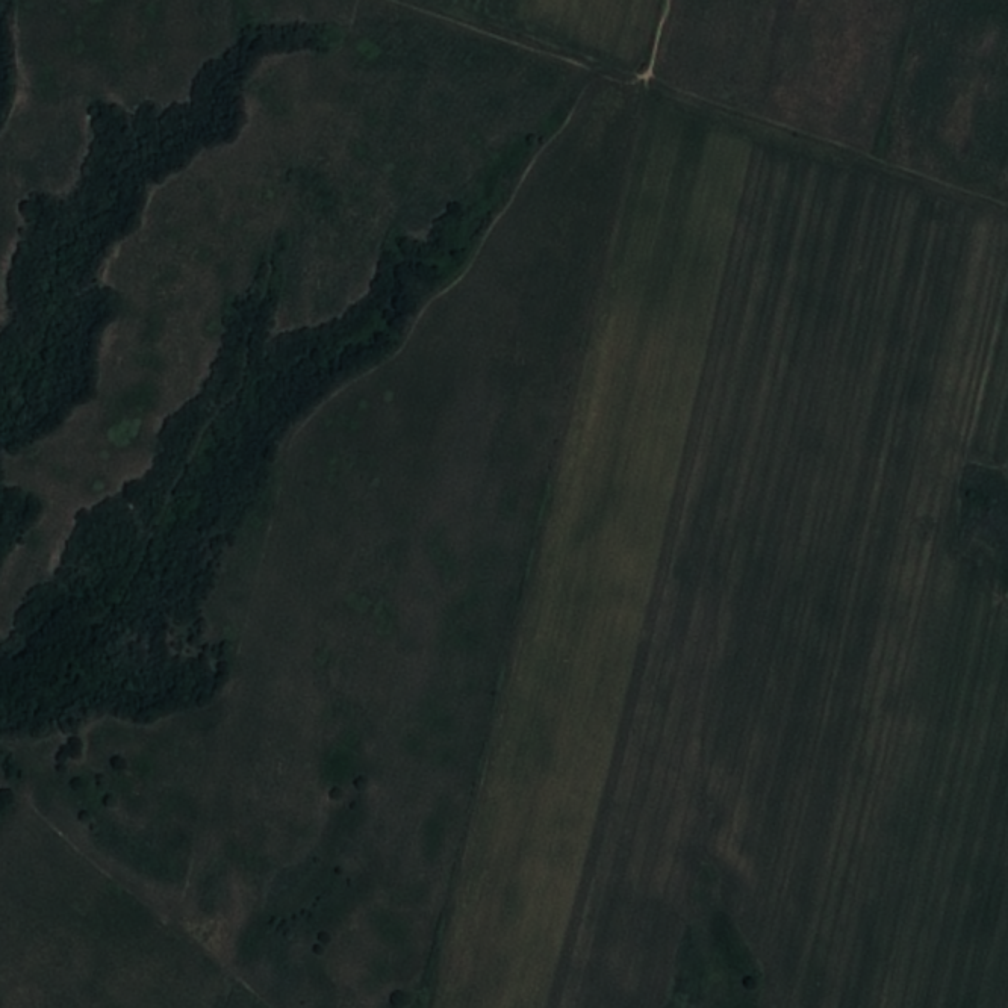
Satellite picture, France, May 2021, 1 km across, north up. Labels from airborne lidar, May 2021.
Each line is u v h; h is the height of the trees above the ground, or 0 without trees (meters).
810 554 0
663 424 0
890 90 0
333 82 0
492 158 0
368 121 0
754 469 0
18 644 12
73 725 12
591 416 0
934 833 0
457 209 13
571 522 0
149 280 0
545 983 0
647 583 0
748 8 0
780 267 0
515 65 0
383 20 0
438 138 0
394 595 0
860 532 0
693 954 0
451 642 0
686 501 0
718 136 0
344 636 0
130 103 0
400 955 0
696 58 0
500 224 0
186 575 8
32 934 0
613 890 0
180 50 0
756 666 0
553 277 0
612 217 0
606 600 0
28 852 0
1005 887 0
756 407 0
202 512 11
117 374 0
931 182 0
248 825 0
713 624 0
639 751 0
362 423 0
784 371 0
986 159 0
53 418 10
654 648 0
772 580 0
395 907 0
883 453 0
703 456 0
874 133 0
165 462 10
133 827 0
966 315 0
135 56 0
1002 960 0
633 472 0
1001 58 0
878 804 0
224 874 0
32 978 0
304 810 0
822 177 0
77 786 11
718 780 0
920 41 0
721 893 0
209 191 0
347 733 0
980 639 0
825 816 0
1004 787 0
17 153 0
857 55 0
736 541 0
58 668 19
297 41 12
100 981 0
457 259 8
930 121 0
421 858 0
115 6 0
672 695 0
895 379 0
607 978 0
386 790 0
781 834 0
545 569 0
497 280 0
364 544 0
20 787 0
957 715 0
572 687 0
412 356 0
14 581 0
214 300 0
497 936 0
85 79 0
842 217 0
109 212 14
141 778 0
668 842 0
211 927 0
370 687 0
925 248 0
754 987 11
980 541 0
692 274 0
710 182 0
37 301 12
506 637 0
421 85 0
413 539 0
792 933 0
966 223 0
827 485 0
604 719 0
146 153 13
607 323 0
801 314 0
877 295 0
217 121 11
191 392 0
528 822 0
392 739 0
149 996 0
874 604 0
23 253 12
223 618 0
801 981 0
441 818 0
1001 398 0
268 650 0
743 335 0
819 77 0
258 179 0
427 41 0
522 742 0
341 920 0
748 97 0
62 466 0
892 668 0
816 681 0
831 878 0
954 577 0
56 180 0
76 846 0
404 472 0
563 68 0
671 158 0
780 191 0
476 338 0
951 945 0
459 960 0
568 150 0
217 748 0
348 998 0
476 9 0
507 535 0
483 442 0
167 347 0
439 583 0
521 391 0
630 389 0
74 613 20
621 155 0
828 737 0
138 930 0
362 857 0
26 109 0
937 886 0
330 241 0
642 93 0
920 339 0
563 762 0
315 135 0
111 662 12
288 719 0
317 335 10
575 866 0
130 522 6
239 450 7
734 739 0
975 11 0
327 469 0
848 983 0
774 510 0
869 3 0
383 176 0
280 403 11
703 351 0
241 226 0
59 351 15
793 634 0
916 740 0
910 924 0
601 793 0
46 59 0
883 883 0
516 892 0
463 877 0
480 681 0
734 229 0
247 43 14
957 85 0
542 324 0
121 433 0
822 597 0
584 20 0
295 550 0
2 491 10
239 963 0
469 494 0
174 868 0
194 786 0
